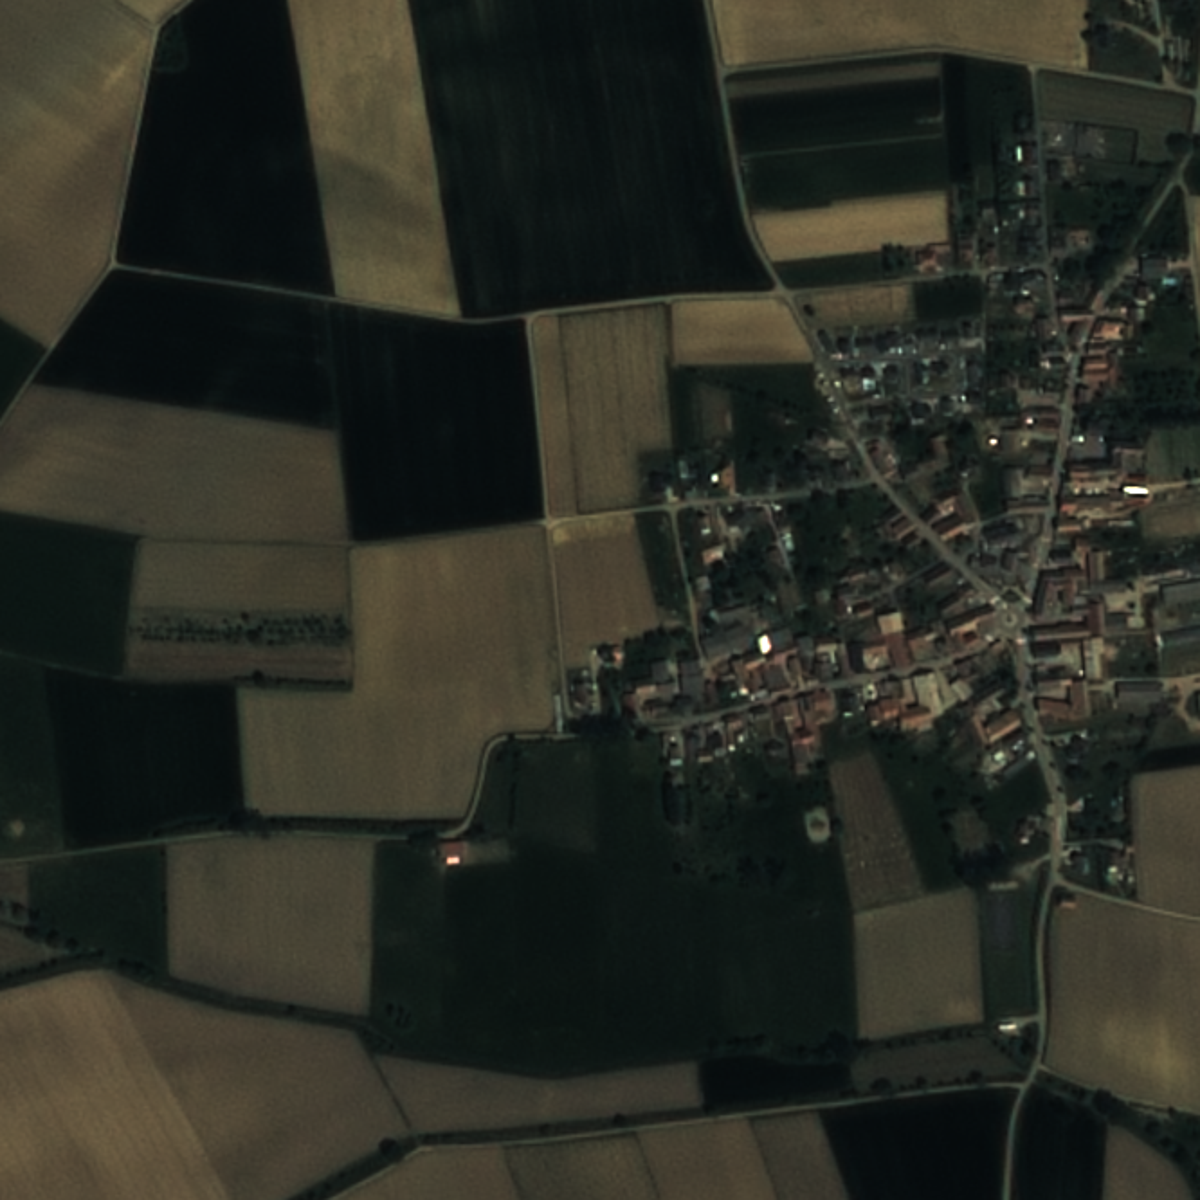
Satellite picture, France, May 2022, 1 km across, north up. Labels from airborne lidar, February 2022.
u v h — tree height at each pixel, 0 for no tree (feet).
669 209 0
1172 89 0
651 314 0
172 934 0
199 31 0
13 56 0
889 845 0
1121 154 0
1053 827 0
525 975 0
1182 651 0
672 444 0
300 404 0
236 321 0
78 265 0
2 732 0
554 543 0
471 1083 0
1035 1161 0
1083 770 23
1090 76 0
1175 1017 0
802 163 0
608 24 0
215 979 0
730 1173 0
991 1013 0
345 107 0
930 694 0
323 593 0
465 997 0
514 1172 0
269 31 0
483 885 0
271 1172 0
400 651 0
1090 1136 0
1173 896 0
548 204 0
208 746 0
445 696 0
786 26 0
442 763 0
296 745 0
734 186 0
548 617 0
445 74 0
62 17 0
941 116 0
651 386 0
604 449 0
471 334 0
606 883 0
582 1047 0
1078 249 0
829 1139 0
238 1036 0
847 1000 0
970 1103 0
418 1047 0
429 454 0
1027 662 0
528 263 0
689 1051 0
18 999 0
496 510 0
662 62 0
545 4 0
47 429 0
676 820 41
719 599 48
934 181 0
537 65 0
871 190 0
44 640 0
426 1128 0
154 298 0
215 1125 0
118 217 0
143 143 0
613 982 0
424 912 0
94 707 0
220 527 0
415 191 0
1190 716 0
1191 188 0
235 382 0
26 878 0
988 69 0
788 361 0
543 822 0
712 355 0
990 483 0
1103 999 0
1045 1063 0
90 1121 0
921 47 0
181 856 0
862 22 0
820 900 0
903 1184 0
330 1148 0
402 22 0
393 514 0
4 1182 0
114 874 0
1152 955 0
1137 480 0
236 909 0
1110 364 0
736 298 0
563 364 0
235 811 0
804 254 0
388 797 0
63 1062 0
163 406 0
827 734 0
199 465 0
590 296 0
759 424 0
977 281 0
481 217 0
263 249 0
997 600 0
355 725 0
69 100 0
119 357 0
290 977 0
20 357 0
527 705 0
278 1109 0
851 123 0
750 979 0
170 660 0
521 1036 0
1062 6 0
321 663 0
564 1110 0
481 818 0
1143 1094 0
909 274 0
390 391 0
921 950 0
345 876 0
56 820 0
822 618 0
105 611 0
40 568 0
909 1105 0
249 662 0
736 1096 0
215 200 0
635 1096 0
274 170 0
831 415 0
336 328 0
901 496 0
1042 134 0
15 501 0
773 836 0
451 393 0
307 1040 0
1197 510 0
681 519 0
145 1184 0
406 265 0
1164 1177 0
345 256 0
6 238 0
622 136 0
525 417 0
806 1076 0
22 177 0
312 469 0
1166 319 0
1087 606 0
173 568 0
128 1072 0
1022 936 0
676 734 0
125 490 0
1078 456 0
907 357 0
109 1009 0
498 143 0
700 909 0
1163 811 0
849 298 0
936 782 0
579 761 0
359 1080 0
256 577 0
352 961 0
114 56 0
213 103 0
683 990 0
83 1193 0
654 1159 0
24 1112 0
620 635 0
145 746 0
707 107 0
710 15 0
